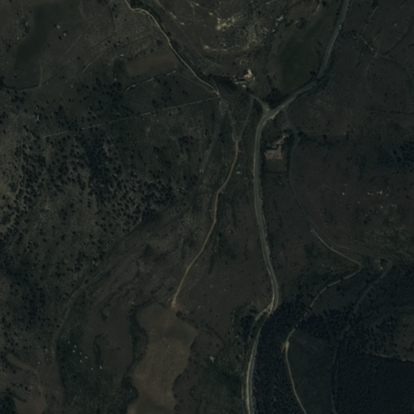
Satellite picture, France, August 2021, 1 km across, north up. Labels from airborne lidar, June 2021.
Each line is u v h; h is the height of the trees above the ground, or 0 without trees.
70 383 0
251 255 0
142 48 0
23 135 0
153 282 0
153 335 0
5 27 0
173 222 0
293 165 0
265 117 0
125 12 0
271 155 0
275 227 0
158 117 0
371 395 14
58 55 0
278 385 19
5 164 0
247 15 0
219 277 0
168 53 0
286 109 0
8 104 0
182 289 0
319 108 0
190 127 0
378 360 12
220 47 0
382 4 0
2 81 7
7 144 0
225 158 0
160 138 0
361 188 0
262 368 16
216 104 0
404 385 14
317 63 0
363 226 0
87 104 0
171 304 0
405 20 0
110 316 0
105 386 0
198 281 0
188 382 0
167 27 0
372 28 0
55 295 0
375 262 0
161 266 0
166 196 9
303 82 0
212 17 0
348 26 0
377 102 0
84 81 0
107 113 0
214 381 0
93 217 0
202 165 0
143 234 0
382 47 0
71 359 0
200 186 0
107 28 0
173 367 0
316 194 0
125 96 0
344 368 15
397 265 0
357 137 0
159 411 0
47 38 0
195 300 0
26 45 0
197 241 0
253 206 0
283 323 19
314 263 0
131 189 7
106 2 7
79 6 0
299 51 0
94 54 0
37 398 0
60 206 0
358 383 13
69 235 0
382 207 0
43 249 0
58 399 0
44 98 0
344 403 17
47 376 0
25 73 0
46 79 0
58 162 9
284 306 10
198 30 0
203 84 0
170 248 0
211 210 0
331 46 0
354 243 0
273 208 0
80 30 0
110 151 9
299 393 0
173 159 0
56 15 0
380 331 8
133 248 0
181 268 0
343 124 0
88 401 0
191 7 0
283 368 19
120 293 0
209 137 0
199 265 0
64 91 0
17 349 0
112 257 0
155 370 0
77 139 8
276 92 7
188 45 0
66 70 0
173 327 0
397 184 0
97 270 0
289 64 0
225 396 0
